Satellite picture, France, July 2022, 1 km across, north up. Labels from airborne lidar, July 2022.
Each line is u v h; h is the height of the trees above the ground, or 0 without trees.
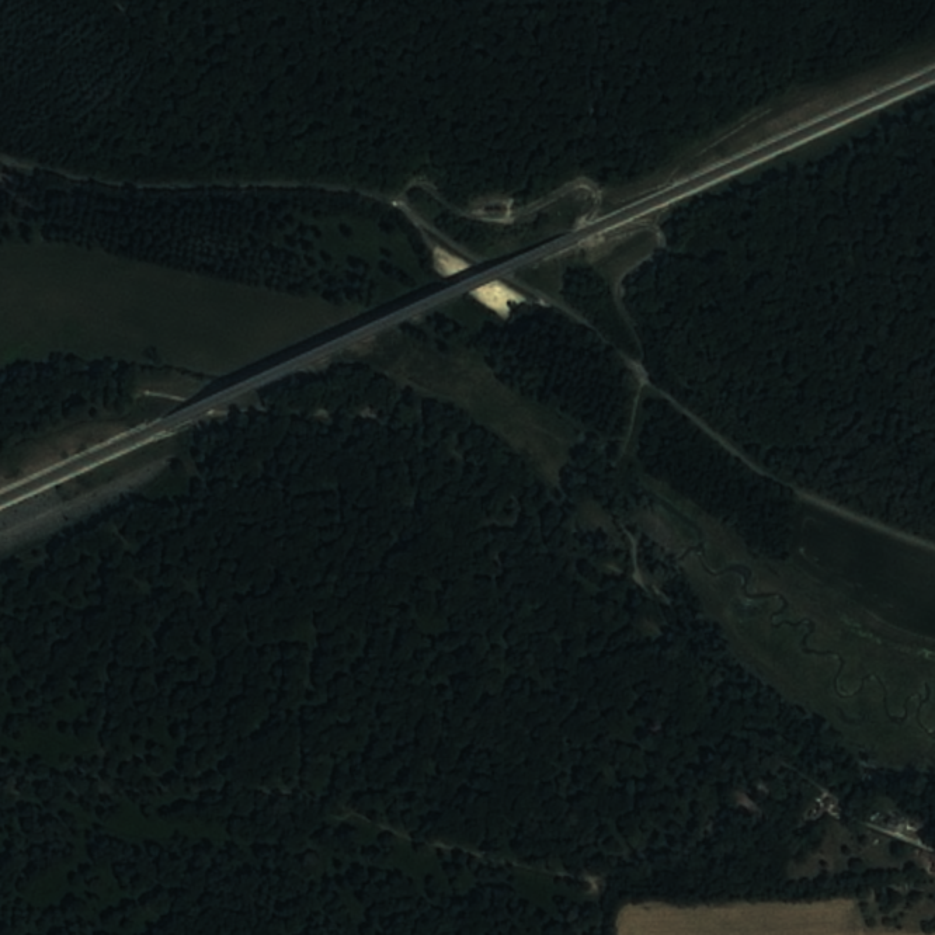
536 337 42
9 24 23
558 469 0
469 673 18
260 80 28
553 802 25
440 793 22
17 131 22
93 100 26
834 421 27
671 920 0
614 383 19
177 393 0
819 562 0
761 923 0
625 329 10
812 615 0
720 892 13
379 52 27
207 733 17
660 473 21
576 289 18
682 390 9
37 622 16
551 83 26
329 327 0
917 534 13
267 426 26
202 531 28
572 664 26
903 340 23
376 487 22
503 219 0
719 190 0
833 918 0
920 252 9
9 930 26
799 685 0
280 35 26
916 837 0
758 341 23
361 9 24
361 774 24
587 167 24
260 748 25
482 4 27
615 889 15
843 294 23
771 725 22
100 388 22
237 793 21
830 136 0
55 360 13
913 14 21
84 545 23
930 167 26
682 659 28
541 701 26
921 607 0
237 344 0
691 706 30
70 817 23
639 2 25
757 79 18
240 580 29
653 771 20
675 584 11
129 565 26
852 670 0
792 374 23
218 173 23
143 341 0
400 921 24
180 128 23
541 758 25
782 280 20
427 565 27
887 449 25
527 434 0
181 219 37
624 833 20
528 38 28
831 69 14
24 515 0
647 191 0
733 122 21
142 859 27
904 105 0
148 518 27
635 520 23
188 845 17
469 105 26
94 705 14
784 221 20
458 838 26
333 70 27
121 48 17
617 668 25
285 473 27
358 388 22
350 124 26
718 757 23
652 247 0
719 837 10
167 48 25
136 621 25
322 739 19
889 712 0
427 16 30
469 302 7
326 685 20
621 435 25
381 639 26
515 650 16
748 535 16
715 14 26
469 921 28
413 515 24
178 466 16
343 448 22
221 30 32
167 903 22
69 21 23
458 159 23
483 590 23
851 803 21
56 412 22
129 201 15
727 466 18
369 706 14
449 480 24
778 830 22
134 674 18
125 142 25
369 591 26
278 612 29
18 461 0
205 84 25
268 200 16
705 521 0
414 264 0
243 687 15
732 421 20
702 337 22
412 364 0
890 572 0
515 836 19
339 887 22
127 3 30
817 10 24
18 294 0
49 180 17
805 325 21
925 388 24
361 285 26
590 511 0
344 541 24
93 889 16
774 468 25
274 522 22
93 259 0
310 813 26
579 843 22
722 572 0
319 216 17
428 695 25
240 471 27
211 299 0
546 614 21
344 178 22
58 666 22
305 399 25
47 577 22
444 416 22
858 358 23
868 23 23
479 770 23
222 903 26
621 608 21
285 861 27
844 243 16
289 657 25
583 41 23
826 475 24
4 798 25
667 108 27
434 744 24
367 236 0
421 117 25
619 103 24
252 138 21
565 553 25
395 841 18
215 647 20
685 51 25
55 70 25
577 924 21
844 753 15
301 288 25
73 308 0
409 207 0
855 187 26
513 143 21
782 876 12
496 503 21
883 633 0
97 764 12
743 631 0
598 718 21
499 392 0
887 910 9
